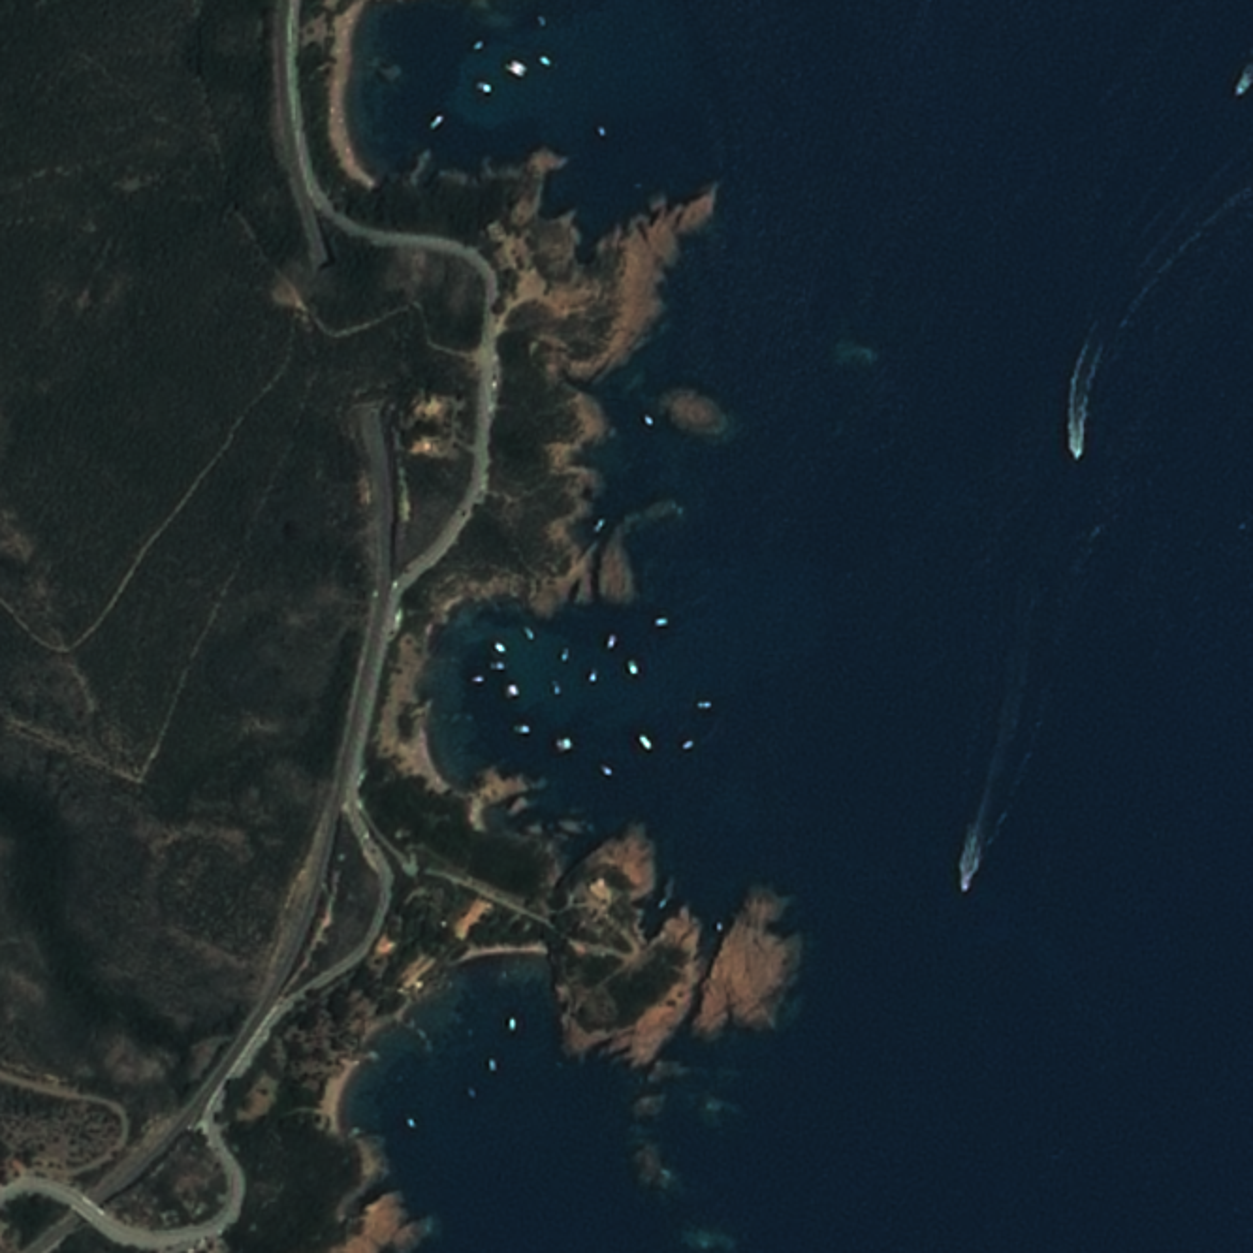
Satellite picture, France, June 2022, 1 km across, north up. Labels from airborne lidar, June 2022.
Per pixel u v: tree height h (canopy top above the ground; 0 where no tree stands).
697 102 0
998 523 0
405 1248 0
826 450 0
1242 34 0
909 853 0
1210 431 0
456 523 0
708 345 0
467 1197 0
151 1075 0
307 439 7
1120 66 0
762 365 0
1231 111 0
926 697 0
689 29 0
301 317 7
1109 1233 0
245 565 6
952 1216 0
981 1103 0
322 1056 13
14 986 0
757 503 0
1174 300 0
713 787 0
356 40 0
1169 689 0
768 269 0
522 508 0
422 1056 0
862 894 0
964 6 0
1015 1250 0
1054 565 0
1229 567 0
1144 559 0
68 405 5
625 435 0
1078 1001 0
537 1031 0
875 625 0
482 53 0
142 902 6
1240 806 0
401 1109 0
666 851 0
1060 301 0
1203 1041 0
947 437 0
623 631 0
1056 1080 0
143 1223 0
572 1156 0
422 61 0
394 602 0
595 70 0
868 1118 0
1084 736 0
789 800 0
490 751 0
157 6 6
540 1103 0
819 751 0
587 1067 0
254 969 0
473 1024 0
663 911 0
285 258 6
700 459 0
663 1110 0
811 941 0
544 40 0
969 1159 0
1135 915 0
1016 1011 0
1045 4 0
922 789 0
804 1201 0
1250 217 0
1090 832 0
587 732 0
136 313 6
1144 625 0
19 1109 8
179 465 6
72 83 7
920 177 0
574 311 0
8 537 0
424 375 6
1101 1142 0
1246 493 0
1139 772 0
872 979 0
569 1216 0
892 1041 0
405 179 7
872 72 0
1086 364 0
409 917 13
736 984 0
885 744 0
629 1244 0
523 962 0
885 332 0
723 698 0
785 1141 0
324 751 10
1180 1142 0
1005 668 0
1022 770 0
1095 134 0
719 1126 0
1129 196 0
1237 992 0
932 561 0
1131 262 0
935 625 0
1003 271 0
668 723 0
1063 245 0
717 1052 0
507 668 0
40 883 7
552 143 0
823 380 0
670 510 0
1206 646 0
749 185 0
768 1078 0
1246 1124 0
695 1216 0
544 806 0
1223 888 0
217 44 7
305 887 0
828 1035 0
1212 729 0
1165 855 0
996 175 0
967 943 0
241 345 6
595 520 0
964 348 0
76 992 6
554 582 0
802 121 0
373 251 8
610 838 0
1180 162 0
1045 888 0
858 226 0
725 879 0
